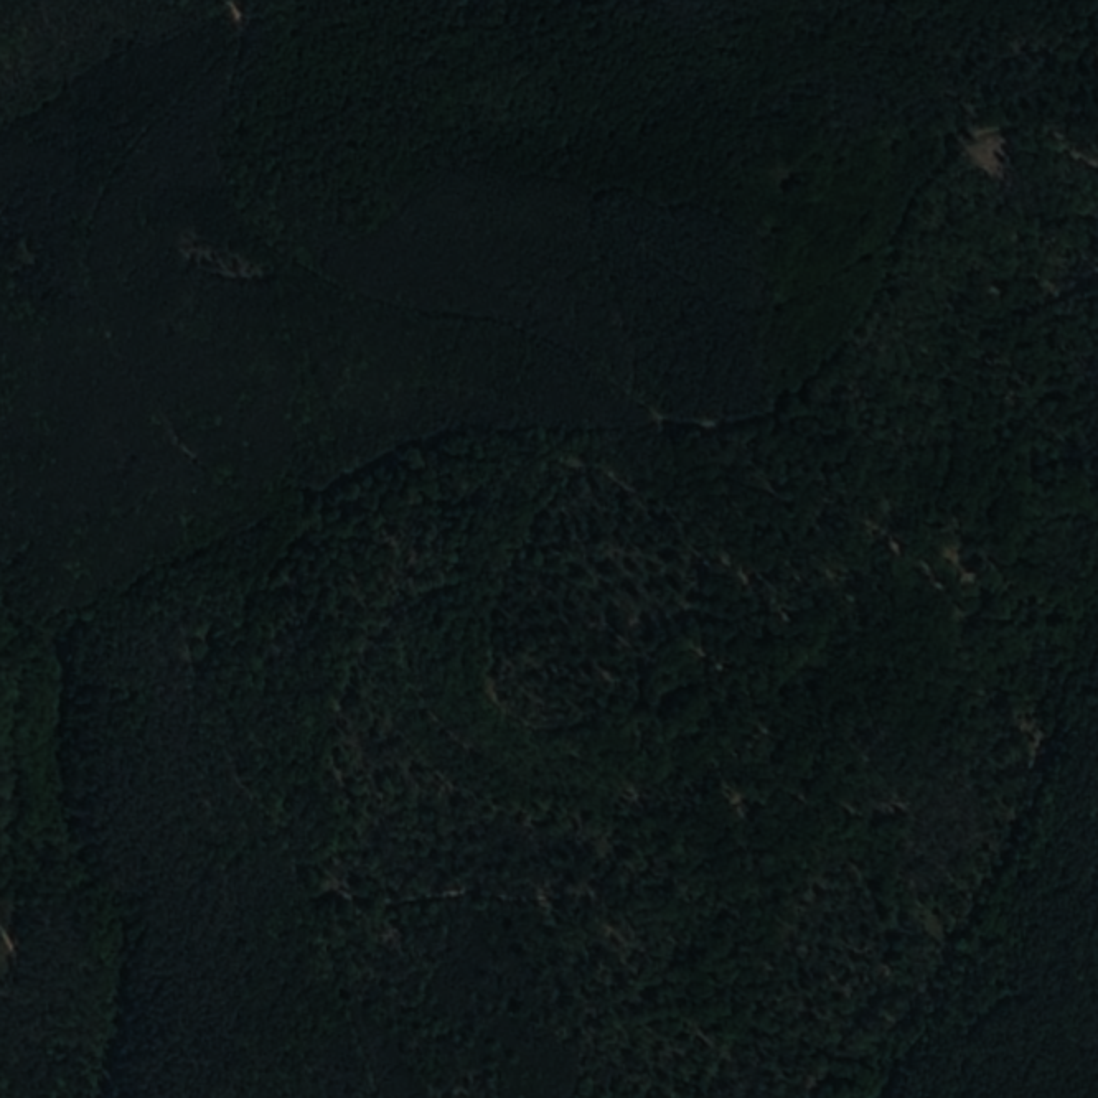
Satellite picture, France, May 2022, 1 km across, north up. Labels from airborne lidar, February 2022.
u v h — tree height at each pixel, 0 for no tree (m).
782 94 19
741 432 25
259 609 27
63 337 18
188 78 18
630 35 21
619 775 24
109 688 21
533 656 20
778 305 13
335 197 23
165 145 16
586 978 9
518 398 20
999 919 35
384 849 25
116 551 18
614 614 24
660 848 31
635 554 26
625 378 15
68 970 27
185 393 15
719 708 35
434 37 21
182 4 22
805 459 30
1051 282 34
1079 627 30
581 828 27
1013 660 31
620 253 19
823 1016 35
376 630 19
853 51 18
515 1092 13
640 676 25
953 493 33
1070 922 33
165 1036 24
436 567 28
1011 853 30
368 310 15
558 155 22
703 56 22
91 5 25
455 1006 15
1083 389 27
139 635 25
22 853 27
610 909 27
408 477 35
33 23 20
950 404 29
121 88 21
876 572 36
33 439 21
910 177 16
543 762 25
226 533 20
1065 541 29
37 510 18
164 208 12
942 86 12
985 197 21
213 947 27
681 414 21
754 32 18
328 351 15
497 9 26
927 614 25
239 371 15
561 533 8
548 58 22
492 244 16
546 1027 11
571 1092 9
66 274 16
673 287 24
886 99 14
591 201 18
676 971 29
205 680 25
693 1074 24
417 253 15
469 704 17
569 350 17
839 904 11
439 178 17
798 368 22
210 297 13
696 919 29
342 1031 20
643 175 22
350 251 16
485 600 25
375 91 21
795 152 17
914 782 25
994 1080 30
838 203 15
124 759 23
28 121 22
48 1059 36
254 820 20
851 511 33
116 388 17
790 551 34
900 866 24
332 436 17
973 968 33
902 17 23
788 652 36
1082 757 30
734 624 34
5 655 28
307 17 21
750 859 28
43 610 13
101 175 18
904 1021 29
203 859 19
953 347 33
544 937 27
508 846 10
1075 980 27
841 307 16
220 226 17
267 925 23
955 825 23
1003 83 13
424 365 16
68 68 25
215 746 24
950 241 28
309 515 32
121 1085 29
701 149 25
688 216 23
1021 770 35
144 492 14
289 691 19
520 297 11
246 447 20
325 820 21
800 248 19
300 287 16
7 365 19
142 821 23
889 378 27
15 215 17
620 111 22
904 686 33
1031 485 29
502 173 18
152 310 13
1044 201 25
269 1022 25
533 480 19
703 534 27
